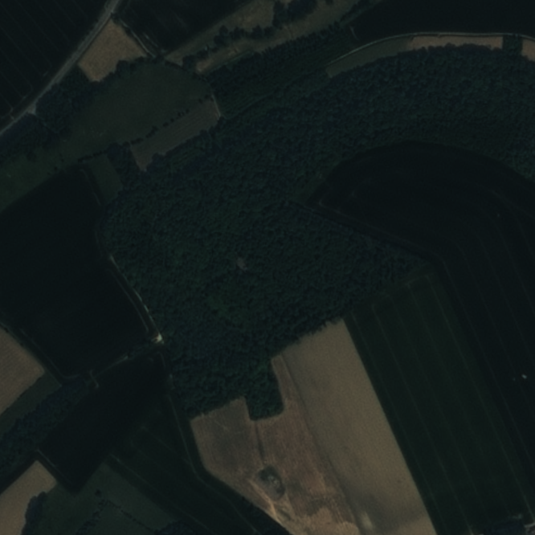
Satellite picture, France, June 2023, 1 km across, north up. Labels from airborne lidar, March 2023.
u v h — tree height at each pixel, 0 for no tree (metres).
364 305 0
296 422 0
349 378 0
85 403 0
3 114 0
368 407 0
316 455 0
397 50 0
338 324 0
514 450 0
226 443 0
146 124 0
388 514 0
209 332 13
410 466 0
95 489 0
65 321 0
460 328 0
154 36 0
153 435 0
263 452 0
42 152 0
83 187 0
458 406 0
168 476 0
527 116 18
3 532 0
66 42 0
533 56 0
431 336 0
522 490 0
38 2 0
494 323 0
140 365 0
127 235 17
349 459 0
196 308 12
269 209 22
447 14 0
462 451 0
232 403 0
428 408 0
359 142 10
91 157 6
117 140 0
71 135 0
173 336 8
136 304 0
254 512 7
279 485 0
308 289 23
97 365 0
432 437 0
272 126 25
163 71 0
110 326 0
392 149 0
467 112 11
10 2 0
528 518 0
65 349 0
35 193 0
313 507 0
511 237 0
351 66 0
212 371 19
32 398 0
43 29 0
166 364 0
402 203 0
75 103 20
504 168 0
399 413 0
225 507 0
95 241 0
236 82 16
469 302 0
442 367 0
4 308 0
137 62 9
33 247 0
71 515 0
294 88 17
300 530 0
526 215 0
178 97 0
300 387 0
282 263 21
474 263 0
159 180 21
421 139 7
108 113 0
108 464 0
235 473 0
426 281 0
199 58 7
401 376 0
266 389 19
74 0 0
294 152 24
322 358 0
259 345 23
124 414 0
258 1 0
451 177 0
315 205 0
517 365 0
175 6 0
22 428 19
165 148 0
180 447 0
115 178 0
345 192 0
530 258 0
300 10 31
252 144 22
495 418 0
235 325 11
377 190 0
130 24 0
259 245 22
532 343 0
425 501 0
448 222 0
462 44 0
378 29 0
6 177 0
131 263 18
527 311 0
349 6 0
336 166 0
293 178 19
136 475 0
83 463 0
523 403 0
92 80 0
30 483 0
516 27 0
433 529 0
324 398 0
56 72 0
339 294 24
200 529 0
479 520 0
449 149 0
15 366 0
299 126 26
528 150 22
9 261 0
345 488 0
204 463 0
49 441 0
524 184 0
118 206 20
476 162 0
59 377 0
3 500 0
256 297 20
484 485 0
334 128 23
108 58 0
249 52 0
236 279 16
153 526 0
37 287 0
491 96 25
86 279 0
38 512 31
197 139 10
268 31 16
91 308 0
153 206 0
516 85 24
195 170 22
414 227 0
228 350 17
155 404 0
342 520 0
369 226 0
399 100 24
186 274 14
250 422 0
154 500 0
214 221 22
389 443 0
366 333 0
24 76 0
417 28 0
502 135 13
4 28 0
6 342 0
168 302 16
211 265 19
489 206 0
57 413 25
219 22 0
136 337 0
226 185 23
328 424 0
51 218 0
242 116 6
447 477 0
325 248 21
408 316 0
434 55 22
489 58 25
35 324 0
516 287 0
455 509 0
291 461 0
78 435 0
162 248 13
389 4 0
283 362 0
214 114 0
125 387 0
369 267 21
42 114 17
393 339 0
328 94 20
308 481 0
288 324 17
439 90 24
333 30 13
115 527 0
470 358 0
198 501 0
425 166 0
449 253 0
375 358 0
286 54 16
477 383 0
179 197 19
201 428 0
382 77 23
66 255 0
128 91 0
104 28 0
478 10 0
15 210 0
